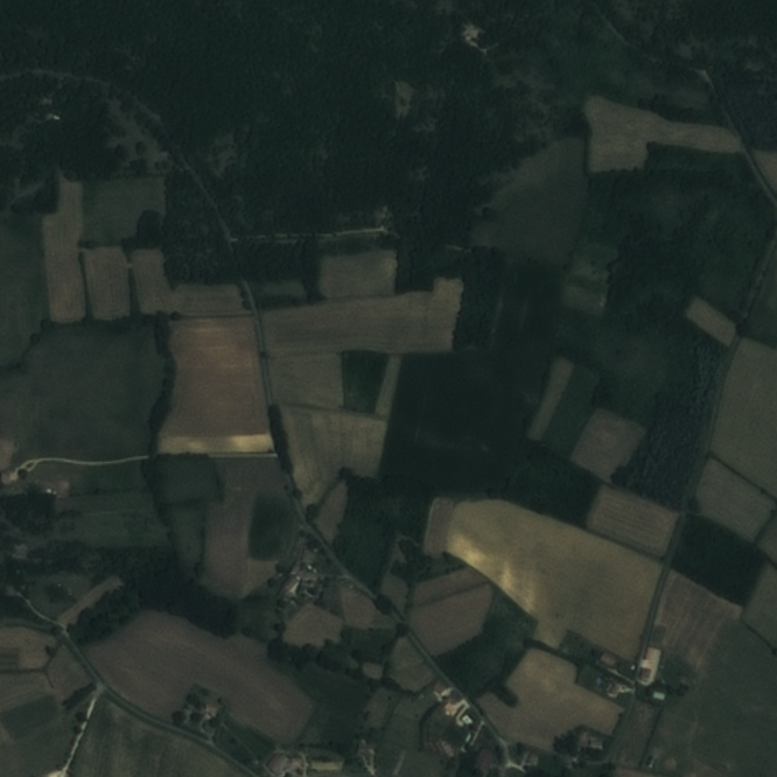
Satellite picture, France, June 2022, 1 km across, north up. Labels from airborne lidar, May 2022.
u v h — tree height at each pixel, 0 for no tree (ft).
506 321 0
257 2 34
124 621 37
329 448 0
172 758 0
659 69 23
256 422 0
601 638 0
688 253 43
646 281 41
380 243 29
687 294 35
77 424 0
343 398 0
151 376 0
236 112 37
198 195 30
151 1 29
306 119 34
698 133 0
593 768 0
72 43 30
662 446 56
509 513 0
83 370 0
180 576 70
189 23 26
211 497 0
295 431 0
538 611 0
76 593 0
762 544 0
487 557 0
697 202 26
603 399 38
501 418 0
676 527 0
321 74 26
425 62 26
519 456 18
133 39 28
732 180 21
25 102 39
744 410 0
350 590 0
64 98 32
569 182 0
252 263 31
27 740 0
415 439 0
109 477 0
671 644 0
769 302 0
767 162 0
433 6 20
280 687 0
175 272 38
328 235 29
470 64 41
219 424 0
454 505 0
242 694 0
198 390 0
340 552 35
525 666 0
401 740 0
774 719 0
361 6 25
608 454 0
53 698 0
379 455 0
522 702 0
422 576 26
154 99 32
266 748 0
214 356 0
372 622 0
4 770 0
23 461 0
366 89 24
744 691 0
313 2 21
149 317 36
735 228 27
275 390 0
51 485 0
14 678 0
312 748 30
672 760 0
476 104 26
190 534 0
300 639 0
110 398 0
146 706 0
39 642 0
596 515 0
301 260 28
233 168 37
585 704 0
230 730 0
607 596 0
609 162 0
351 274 0
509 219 0
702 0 28
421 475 0
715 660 0
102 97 27
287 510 0
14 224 0
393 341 0
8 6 35
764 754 0
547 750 0
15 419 0
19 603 19
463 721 0
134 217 0
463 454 0
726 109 30
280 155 33
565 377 0
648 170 22
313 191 27
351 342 0
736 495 0
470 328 38
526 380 0
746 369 0
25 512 26
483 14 25
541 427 0
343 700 0
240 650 0
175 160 29
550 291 0
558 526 0
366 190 43
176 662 0
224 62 34
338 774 0
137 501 0
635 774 0
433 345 0
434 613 0
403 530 31
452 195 48
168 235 28
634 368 0
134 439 0
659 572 0
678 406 35
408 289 21
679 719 0
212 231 19
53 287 0
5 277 0
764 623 0
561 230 0
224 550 0
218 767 0
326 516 0
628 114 0
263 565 0
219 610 47
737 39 27
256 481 0
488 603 0
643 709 0
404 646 0
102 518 0
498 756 23
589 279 0
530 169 0
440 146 29
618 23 31
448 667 27
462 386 0
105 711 0
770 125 55
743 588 30
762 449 0
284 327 0
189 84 37
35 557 27
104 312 0
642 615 0
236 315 0
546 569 0
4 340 0
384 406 0
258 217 28
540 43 30
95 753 0
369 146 42
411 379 0
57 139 39
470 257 34
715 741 0
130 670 0
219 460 0
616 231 21
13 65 25
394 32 30
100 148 38
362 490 53
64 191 0
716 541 26
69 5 31
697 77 34
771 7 32
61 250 0
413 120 23
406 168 27
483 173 28
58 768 22
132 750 0
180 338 0
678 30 21
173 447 0
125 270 0
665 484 47
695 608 0
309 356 0
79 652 0
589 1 26
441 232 51
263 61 29
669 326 36
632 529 0
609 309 20
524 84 26
